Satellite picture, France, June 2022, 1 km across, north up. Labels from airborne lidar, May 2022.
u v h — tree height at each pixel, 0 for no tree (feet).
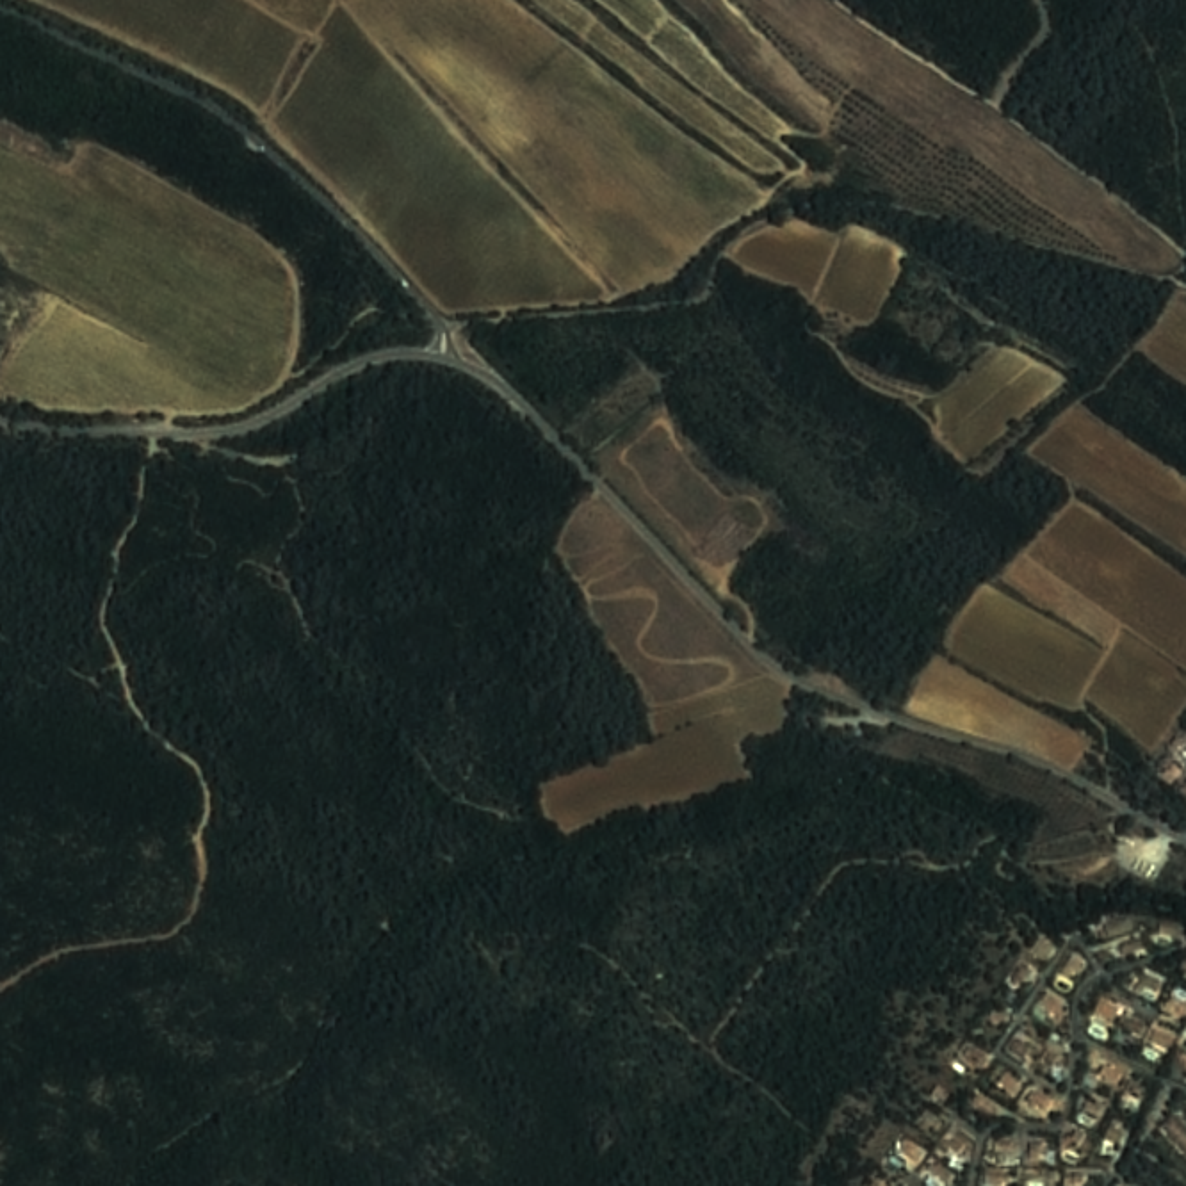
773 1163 17
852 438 24
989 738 0
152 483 17
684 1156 43
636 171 0
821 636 22
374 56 0
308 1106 22
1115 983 21
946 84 0
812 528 22
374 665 41
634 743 69
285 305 0
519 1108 41
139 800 17
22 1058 19
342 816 23
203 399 0
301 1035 30
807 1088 29
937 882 31
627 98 0
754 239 0
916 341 24
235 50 0
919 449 22
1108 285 62
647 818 27
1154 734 0
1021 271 64
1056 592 0
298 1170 28
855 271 0
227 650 52
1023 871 30
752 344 30
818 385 29
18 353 0
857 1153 24
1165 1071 31
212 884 23
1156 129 21
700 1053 41
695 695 0
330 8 0
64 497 35
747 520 0
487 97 0
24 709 36
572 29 0
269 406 21
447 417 27
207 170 18
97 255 0
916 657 54
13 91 28
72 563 22
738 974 24
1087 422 0
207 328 0
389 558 18
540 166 0
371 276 32
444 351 0
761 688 0
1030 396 0
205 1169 24
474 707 56
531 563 35
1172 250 0
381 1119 19
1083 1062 28
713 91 0
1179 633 0
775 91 0
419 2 0
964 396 0
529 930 57
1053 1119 21
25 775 18
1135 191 28
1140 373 23
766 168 0
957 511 25
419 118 0
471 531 28
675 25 0
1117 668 0
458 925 54
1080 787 20
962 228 55
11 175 0
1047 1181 0
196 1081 19
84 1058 20
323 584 49
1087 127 72
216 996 20
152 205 0
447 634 21
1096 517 0
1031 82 59
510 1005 43
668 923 36
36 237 0
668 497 0
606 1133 37
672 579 0
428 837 36
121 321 0
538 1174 20
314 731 47
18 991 24
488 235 0
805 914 54
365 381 40
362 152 0
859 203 47
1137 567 0
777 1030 50
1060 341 26
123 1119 18
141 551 18
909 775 28
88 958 24
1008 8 22
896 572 37
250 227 0
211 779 23
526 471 18
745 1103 24
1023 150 0
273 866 35
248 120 20
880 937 25
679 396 23
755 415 34
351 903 20
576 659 63
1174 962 26
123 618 39
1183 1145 0
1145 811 28
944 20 18
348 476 18
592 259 0
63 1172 18
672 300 57
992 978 27
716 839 48
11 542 44
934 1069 29
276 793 18
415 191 0
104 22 0
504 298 0
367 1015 32
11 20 20
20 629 37
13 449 45
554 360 32
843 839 52
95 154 0
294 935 29
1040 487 70
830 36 0
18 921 18
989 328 32
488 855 52
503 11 0
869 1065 25
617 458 0
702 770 0
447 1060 19
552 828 37
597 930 25
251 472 24
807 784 31
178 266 0
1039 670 0
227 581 51
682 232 0
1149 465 0
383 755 23
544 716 34
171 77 30
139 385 0
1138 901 41
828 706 24
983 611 0
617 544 0
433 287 0
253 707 20
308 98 0
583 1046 49
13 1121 18
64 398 0
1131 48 65
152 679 48
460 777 34
